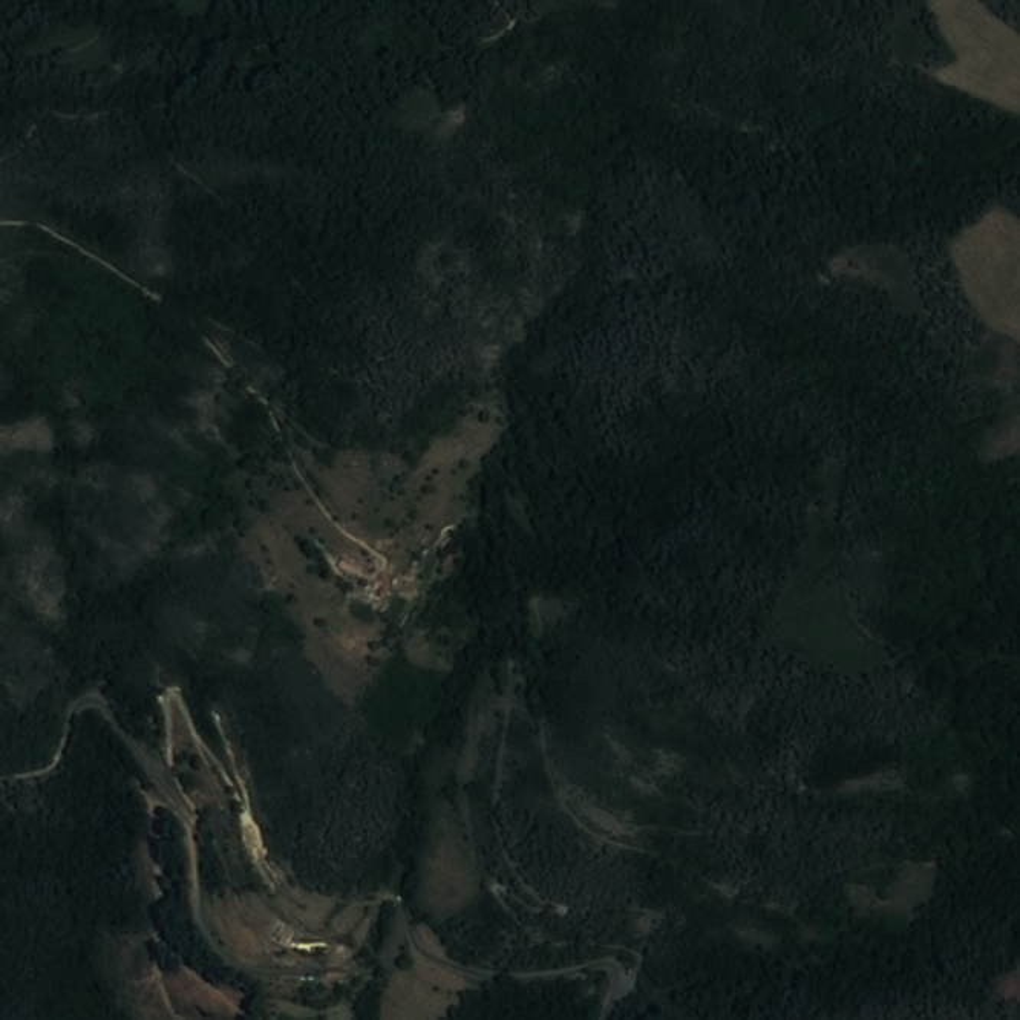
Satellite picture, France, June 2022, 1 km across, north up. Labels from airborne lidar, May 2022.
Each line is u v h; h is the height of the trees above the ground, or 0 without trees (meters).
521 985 18
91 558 10
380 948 12
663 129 16
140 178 7
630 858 7
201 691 9
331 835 13
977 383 0
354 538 0
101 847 23
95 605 7
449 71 20
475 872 0
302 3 22
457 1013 16
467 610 6
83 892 20
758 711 9
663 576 20
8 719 17
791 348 15
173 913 22
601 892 14
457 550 9
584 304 21
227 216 11
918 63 0
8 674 6
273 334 10
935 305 13
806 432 10
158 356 7
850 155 28
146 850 26
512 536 12
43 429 0
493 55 22
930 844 8
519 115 18
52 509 9
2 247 0
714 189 16
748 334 12
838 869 21
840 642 0
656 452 17
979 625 13
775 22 11
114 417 8
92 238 8
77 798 12
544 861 11
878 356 10
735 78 8
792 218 14
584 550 17
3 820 12
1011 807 11
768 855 12
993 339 0
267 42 19
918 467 13
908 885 0
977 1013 16
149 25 19
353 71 20
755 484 19
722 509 20
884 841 14
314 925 0
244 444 8
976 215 9
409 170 16
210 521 15
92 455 12
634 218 9
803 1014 13
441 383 7
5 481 7
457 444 0
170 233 7
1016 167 14
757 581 14
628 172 8
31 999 14
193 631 0
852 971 23
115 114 7
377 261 13
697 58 12
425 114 0
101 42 0
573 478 10
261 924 0
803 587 0
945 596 6
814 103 13
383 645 7
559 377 8
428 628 6
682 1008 15
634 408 12
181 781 13
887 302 10
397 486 9
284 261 12
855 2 13
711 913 7
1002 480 7
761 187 16
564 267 12
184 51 7
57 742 8
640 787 0
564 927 9
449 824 0
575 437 13
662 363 13
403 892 7
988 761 15
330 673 0
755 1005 22
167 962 28
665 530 25
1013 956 11
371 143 23
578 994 25
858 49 18
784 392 7
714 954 12
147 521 0
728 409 15
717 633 8
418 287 7
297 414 8
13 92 8
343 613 0
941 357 11
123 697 13
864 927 10
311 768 0
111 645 13
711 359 10
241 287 10
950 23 0
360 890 10
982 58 0
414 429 14
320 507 0
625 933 11
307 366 9
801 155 15
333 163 12
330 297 10
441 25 19
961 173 13
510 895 7
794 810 12
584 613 11
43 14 9
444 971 0
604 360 16
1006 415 0
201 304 9
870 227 7
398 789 16
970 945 18
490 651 10
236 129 10
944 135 17
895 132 25
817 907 11
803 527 10
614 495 18
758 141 26
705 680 13
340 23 22
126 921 25
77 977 17
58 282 11
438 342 13
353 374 6
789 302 10
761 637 18
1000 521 19
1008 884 16
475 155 14
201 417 0
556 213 10
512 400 18
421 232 14
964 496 9
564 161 12
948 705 7
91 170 8
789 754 9
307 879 14
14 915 18
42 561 0
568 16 11
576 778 0
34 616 11
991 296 0
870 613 7
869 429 12
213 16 15
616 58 18
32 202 0
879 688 20
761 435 13
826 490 0
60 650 10
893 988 15
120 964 34
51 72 14
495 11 15
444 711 8
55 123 7
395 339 15
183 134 16
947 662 7
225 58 32
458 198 12
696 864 8
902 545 9
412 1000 0
